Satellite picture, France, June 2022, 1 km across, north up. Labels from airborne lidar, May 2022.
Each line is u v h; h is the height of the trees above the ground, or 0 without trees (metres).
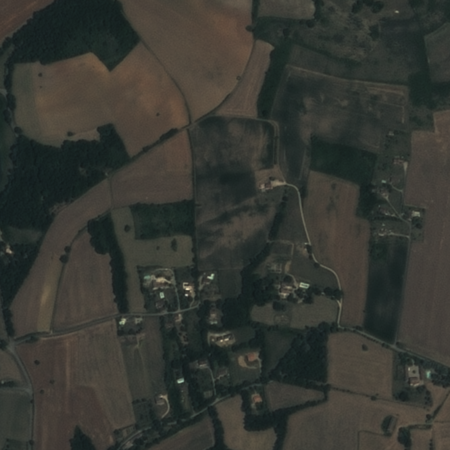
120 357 0
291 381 11
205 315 9
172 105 0
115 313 0
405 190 0
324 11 0
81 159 16
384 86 0
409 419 0
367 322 0
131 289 0
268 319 0
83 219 0
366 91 0
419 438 0
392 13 0
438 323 0
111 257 11
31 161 16
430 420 9
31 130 0
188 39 0
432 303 0
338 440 0
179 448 0
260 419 23
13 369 0
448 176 0
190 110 0
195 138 0
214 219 0
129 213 0
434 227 0
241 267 0
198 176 0
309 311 0
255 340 17
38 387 0
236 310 17
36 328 0
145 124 0
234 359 0
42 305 0
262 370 9
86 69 0
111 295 0
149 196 0
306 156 0
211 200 0
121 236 0
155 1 0
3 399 0
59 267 0
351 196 0
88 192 0
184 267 0
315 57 0
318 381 11
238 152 0
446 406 0
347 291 0
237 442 0
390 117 0
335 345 0
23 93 0
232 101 0
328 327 23
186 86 0
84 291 0
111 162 6
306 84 0
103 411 0
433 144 0
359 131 0
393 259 0
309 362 22
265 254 16
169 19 0
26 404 0
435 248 0
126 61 0
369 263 0
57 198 18
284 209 6
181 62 0
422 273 0
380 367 0
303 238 0
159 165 0
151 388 0
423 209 9
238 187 0
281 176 0
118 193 0
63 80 0
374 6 7
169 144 0
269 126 0
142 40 0
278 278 11
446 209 0
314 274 0
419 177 0
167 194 0
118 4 11
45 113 0
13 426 0
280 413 23
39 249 8
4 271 14
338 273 0
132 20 0
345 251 0
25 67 0
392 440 0
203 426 0
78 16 19
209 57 0
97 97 0
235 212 0
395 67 0
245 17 0
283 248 0
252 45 0
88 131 0
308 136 0
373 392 0
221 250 0
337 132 0
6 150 0
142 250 0
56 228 0
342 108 0
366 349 9
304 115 0
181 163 0
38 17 24
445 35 0
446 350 0
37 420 0
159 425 16
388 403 0
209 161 0
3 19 0
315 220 0
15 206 20
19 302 0
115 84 0
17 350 0
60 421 0
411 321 0
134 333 9
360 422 0
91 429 0
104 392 0
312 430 0
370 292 0
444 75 0
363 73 0
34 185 17
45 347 0
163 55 0
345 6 0
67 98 0
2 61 0
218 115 0
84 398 0
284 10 0
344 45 0
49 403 0
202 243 0
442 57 0
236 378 0
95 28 14
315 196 0
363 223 0
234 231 0
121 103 0
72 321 0
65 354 0
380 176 0
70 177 21
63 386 0
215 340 0
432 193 0
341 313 0
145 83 0
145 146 6
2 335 0
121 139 9
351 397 0
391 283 0
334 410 0
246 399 19
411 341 0
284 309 17
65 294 0
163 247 0
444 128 0
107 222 17
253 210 0
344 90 0
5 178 0
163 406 0
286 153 0
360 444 0
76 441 10
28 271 11
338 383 0
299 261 0
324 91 0
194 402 9
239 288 0
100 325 0
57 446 0
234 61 0
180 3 0
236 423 0
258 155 0
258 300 14
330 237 0
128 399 0
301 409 12
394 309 0
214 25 0
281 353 0
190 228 7
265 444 0
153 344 0
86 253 0
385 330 0
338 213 0
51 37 22
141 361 0
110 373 0
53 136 0
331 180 0
